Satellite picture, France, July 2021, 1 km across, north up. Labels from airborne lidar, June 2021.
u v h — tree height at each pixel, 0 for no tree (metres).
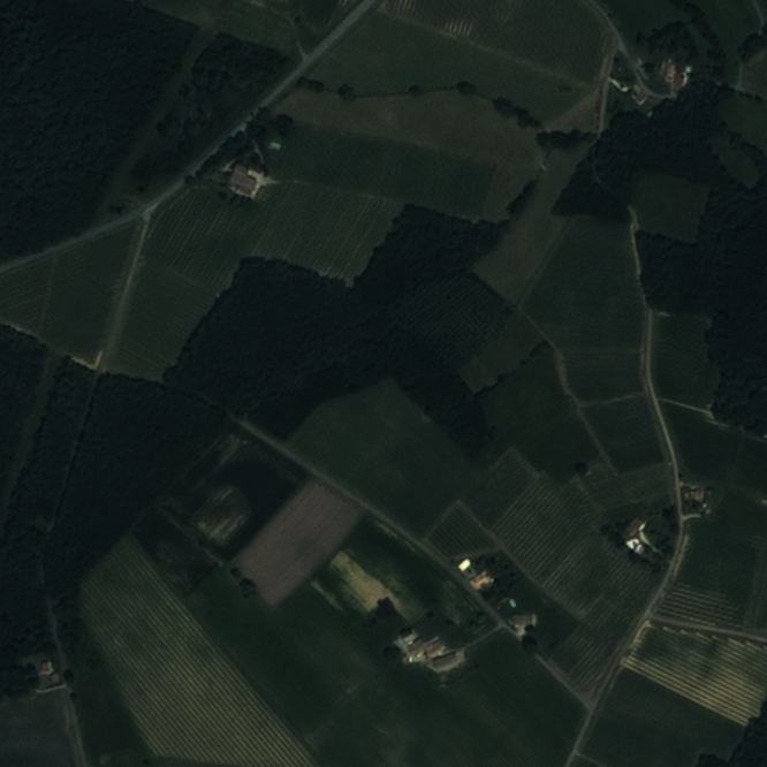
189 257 0
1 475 29
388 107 0
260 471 0
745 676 0
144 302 0
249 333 23
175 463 15
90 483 18
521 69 0
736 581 0
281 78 0
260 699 0
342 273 0
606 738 0
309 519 0
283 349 19
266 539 0
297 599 0
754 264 25
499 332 15
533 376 0
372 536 0
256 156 10
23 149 17
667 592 0
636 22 0
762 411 17
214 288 0
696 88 20
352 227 0
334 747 0
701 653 0
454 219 11
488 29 0
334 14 0
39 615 8
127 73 24
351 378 14
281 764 0
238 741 0
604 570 0
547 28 0
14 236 14
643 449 0
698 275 24
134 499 15
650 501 0
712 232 20
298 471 0
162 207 0
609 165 20
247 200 11
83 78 23
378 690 0
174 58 9
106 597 0
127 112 18
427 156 0
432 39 0
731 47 0
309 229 0
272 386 14
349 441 0
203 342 20
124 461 17
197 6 0
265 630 0
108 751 0
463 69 0
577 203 8
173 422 20
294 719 0
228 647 0
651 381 0
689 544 0
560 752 0
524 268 0
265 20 0
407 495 0
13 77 11
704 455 0
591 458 0
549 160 0
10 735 0
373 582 0
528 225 0
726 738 0
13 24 10
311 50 0
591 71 0
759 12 0
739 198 24
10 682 17
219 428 14
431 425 0
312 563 0
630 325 0
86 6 13
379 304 24
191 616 0
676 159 20
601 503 0
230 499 0
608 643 0
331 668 0
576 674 0
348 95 17
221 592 0
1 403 23
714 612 0
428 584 0
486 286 24
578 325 0
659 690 0
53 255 0
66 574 24
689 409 0
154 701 0
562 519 0
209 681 0
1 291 0
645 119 9
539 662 0
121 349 0
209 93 23
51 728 0
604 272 0
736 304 18
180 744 0
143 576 0
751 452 0
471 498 0
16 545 22
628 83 10
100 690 0
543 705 0
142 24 12
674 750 0
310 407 10
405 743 0
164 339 0
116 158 15
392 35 0
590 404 0
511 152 0
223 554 0
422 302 31
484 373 0
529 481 0
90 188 21
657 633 0
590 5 0
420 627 0
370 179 0
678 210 0
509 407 0
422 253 19
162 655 0
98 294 0
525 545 0
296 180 0
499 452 0
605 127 0
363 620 0
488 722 0
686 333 0
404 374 16
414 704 0
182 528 0
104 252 0
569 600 0
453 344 23
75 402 16
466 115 0
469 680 0
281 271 18
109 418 18
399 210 0
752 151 12
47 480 25
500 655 0
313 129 0
